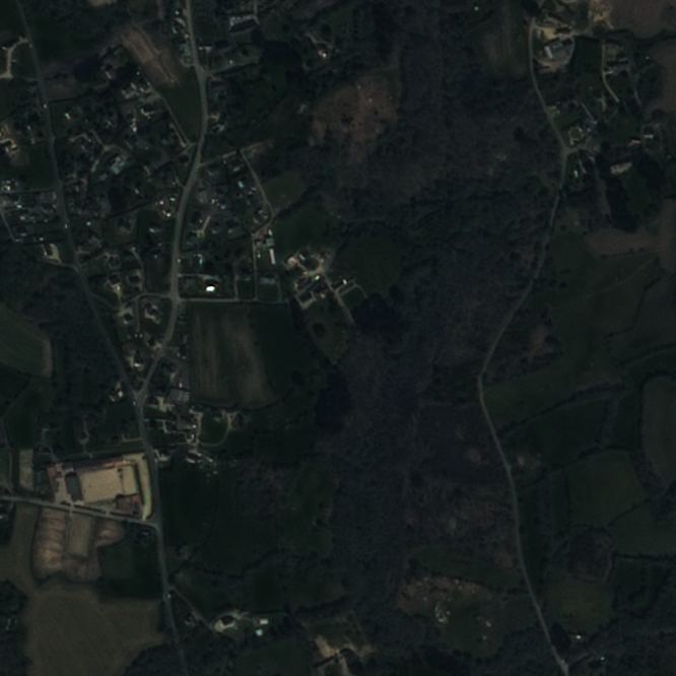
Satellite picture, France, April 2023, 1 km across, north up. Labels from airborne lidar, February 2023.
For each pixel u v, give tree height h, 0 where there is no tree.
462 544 10
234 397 0
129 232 0
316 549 0
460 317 10
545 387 0
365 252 0
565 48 0
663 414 0
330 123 0
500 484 7
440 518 7
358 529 17
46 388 0
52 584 0
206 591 0
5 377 0
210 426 0
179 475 0
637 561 7
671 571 14
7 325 0
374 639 9
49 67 0
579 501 0
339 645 0
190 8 0
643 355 7
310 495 0
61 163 10
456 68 21
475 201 16
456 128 24
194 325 0
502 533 9
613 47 0
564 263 0
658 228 0
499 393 0
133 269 0
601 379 0
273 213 0
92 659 0
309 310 0
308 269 11
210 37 0
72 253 0
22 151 0
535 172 12
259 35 18
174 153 7
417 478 17
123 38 0
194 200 0
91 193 10
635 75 0
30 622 0
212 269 12
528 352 7
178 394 0
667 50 0
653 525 0
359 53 9
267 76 12
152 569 0
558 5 0
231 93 11
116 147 0
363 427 20
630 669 12
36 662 0
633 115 14
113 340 0
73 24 7
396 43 22
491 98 14
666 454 0
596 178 10
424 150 17
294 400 0
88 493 0
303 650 9
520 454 0
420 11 22
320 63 10
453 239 13
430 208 10
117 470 0
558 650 22
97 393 0
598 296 0
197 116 0
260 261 0
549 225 8
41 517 0
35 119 12
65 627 0
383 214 8
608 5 0
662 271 7
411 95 18
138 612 0
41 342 0
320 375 8
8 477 0
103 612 0
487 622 0
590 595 0
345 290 0
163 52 0
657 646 14
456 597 0
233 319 0
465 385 0
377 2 8
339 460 16
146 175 0
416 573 13
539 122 7
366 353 20
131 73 14
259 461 7
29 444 0
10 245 11
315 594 0
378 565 20
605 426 9
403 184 15
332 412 23
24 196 0
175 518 0
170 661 10
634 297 0
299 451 0
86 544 0
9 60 0
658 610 10
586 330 0
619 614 13
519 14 0
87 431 0
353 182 18
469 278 11
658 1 0
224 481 0
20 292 9
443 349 11
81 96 6
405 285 13
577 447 0
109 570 0
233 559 0
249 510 8
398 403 23
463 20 8
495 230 9
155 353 0
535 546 0
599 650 13
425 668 0
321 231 0
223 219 0
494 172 0
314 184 8
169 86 0
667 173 8
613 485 0
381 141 8
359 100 0
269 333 0
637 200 0
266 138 0
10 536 6
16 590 10
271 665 0
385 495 20
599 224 16
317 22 9
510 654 9
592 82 0
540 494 7
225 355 0
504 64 0
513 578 0
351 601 14
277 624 0
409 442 17
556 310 0
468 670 18
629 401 0
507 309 11
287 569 9
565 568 8
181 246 0
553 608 0
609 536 7
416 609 0
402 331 35
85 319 13
